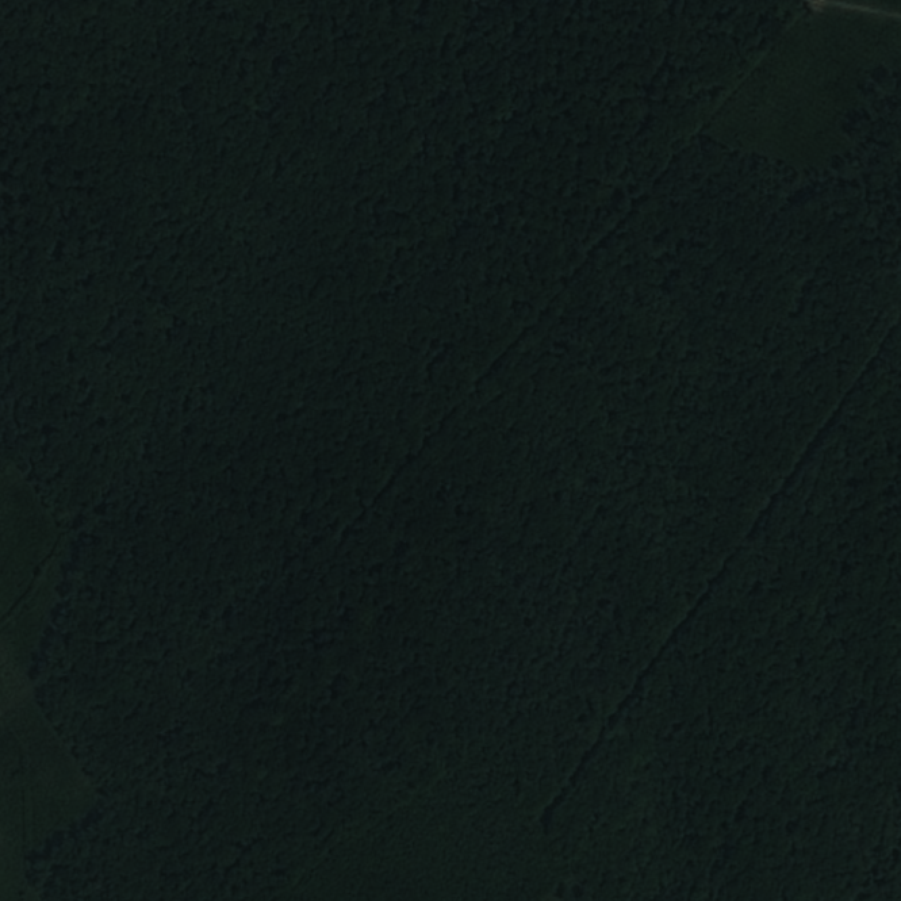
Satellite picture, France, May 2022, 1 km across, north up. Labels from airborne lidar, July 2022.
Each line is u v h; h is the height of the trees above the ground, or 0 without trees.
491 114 26
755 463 20
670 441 22
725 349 24
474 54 21
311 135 25
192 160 21
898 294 19
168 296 21
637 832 22
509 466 24
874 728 23
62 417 21
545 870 17
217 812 24
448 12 25
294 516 26
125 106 22
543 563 25
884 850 23
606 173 19
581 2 27
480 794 13
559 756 21
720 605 19
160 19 24
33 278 21
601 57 26
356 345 25
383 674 21
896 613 25
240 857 23
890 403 23
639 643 22
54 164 29
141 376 25
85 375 27
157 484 22
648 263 29
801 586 25
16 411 21
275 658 29
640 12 27
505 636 22
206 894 21
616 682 23
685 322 22
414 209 23
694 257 22
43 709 20
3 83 31
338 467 24
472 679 17
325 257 23
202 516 20
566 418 22
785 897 24
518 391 22
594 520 23
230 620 29
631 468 23
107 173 17
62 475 22
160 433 25
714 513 19
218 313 23
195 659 23
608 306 24
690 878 24
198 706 23
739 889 24
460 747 24
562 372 24
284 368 24
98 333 19
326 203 23
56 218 22
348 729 27
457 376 25
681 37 23
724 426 26
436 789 13
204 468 22
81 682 26
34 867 23
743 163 19
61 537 5
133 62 25
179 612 20
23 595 8
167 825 20
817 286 22
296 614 29
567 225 23
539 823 11
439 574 22
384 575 27
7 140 27
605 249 22
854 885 29
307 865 18
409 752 21
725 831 23
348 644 25
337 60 26
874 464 24
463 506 26
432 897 16
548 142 28
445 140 26
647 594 21
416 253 25
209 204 18
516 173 25
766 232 22
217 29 22
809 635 25
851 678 22
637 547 19
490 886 15
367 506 20
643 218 21
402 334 24
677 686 23
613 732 23
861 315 22
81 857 22
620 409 16
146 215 20
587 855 24
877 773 26
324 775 23
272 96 17
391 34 22
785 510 24
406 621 23
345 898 14
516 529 21
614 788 22
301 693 27
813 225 23
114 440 25
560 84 28
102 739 23
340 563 23
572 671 26
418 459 26
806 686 24
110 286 22
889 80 30
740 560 22
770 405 24
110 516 20
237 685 24
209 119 24
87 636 22
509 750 16
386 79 24
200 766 24
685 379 25
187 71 23
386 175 23
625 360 18
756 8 25
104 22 24
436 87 22
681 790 20
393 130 26
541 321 24
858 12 0
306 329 20
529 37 26
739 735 25
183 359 23
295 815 23
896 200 25
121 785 23
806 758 25
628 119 25
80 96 27
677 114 26
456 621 22
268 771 27
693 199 22
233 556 22
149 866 23
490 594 22
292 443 21
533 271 28
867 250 25
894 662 27
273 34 21
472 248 26
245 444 27
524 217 25
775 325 16
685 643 23
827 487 24
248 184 20
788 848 24
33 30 27
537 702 26
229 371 25
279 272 23
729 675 23
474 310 27
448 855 14
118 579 24
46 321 22
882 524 28
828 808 23
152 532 22
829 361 25
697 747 23
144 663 18
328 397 23
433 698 26
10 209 30
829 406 22
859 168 21
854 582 25
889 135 23
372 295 25
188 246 23
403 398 27
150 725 26
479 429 22
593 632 25
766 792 18
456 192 25
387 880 14
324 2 26
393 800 24
